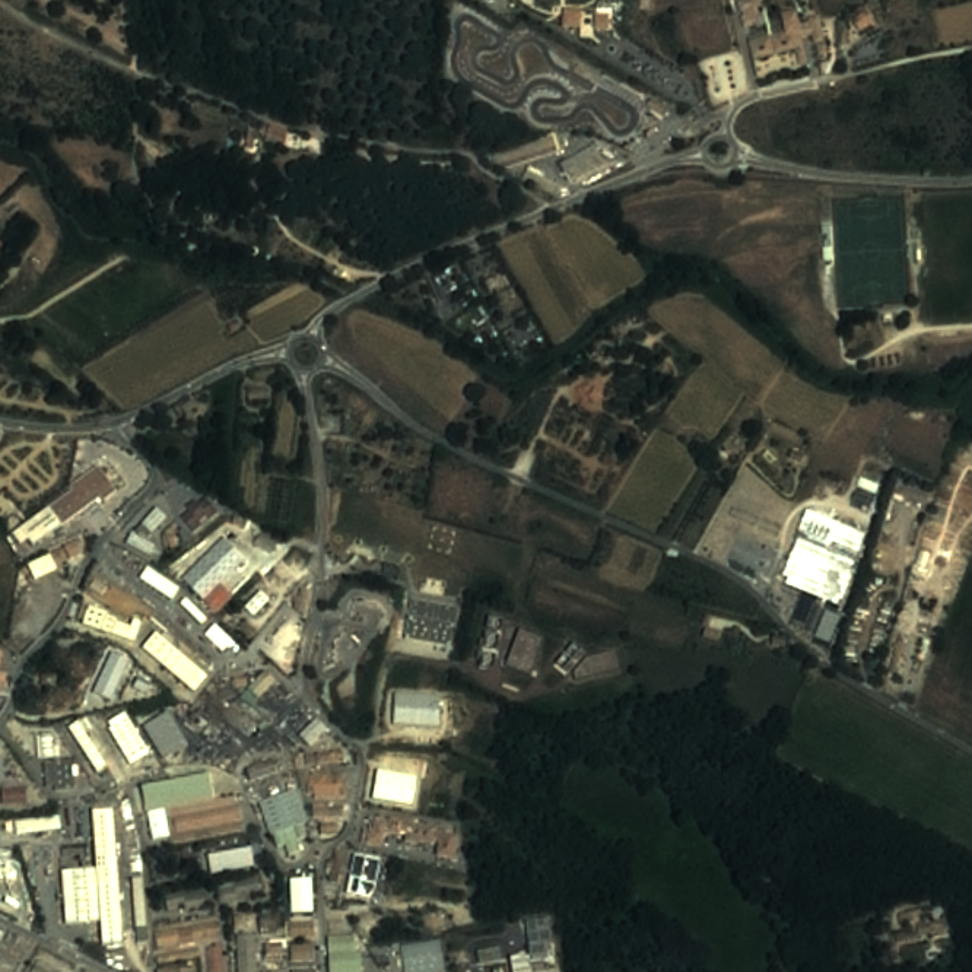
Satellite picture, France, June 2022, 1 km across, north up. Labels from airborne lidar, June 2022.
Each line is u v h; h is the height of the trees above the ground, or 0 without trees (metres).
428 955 0
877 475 0
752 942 0
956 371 17
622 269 0
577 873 13
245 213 7
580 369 16
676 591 6
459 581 0
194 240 12
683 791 26
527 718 13
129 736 0
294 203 14
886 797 0
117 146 9
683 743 23
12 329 8
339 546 0
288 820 0
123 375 0
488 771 6
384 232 14
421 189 13
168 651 0
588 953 13
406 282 6
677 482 0
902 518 0
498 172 10
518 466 0
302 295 0
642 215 0
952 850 19
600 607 0
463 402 0
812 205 0
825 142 0
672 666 0
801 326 0
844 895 21
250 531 0
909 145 6
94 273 0
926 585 0
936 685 0
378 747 0
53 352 0
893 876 21
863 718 0
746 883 29
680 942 29
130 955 0
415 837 0
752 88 0
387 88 14
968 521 0
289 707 0
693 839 0
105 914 0
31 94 9
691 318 0
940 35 0
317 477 0
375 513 0
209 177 15
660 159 0
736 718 20
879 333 0
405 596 8
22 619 0
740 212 0
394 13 15
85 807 0
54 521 0
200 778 0
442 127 15
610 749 15
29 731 0
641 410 11
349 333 0
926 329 0
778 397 0
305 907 0
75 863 0
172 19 15
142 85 13
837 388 8
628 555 0
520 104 0
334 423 0
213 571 0
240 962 0
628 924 14
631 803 0
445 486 0
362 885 0
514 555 0
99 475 0
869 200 0
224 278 11
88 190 11
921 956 0
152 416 14
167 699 6
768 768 20
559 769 15
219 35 15
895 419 0
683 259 9
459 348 9
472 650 15
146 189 15
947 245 0
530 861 8
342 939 0
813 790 16
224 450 7
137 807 0
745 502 0
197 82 9
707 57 0
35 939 0
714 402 0
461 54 0
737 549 0
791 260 0
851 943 9
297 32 14
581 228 0
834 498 0
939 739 0
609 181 0
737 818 23
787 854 29
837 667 10
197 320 0
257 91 10
